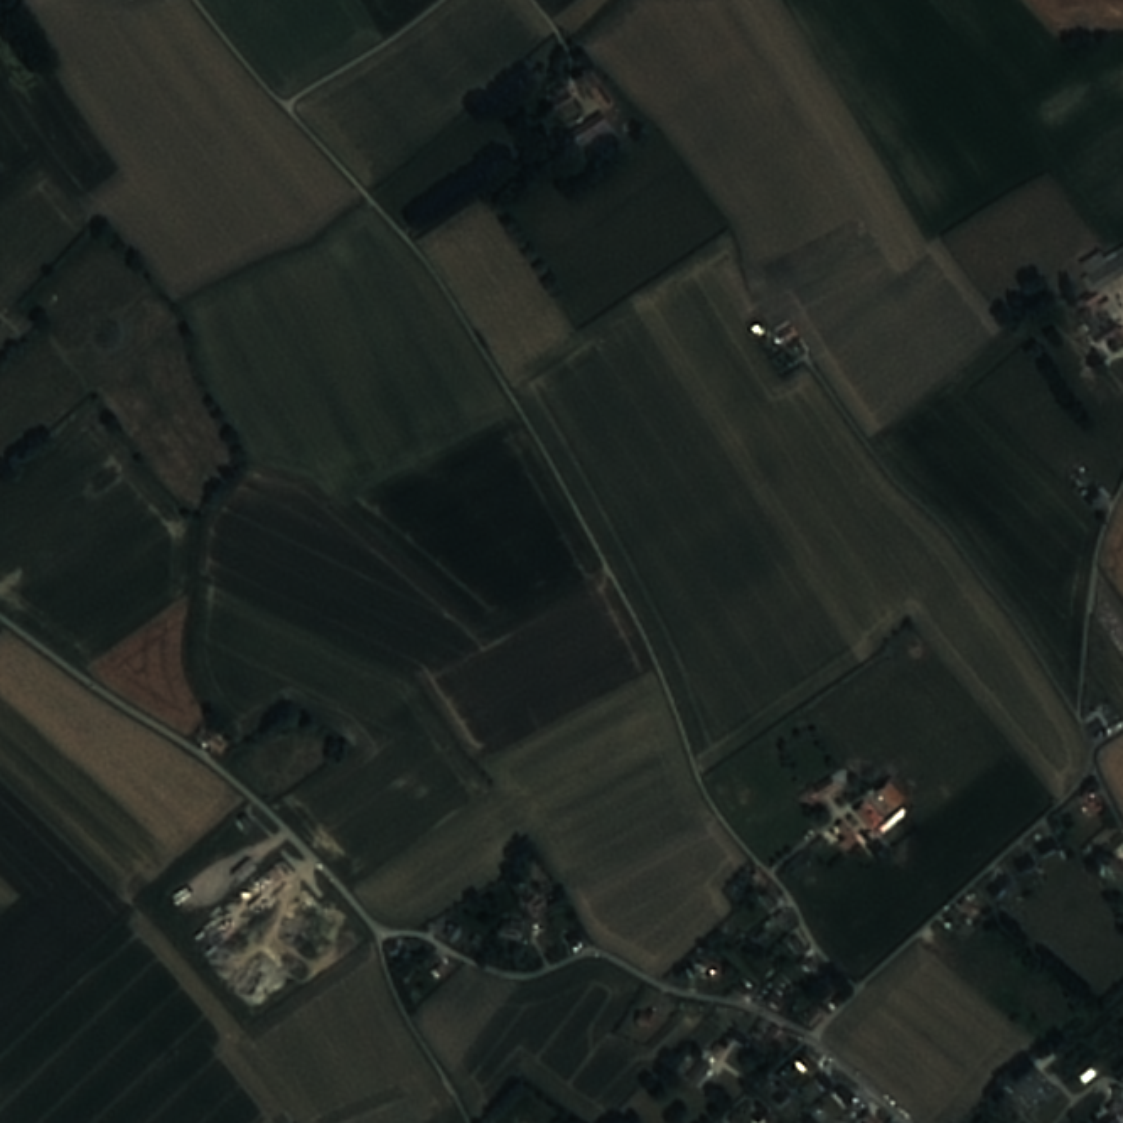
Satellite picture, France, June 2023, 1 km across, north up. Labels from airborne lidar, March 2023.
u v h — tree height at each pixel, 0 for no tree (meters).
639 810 0
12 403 0
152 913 0
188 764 0
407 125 0
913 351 0
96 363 0
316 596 0
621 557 0
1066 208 0
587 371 0
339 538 0
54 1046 0
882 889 0
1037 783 0
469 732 0
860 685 0
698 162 0
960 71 0
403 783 0
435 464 0
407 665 0
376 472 0
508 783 0
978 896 0
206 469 0
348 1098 0
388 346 0
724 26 0
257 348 0
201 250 0
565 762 0
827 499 0
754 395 0
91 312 0
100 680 0
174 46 0
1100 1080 0
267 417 0
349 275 0
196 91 0
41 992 0
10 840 0
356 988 0
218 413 13
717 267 0
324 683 0
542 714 0
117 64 0
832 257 0
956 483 0
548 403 0
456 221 0
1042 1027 0
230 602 0
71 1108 0
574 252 0
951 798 0
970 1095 0
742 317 0
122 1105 0
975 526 0
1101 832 0
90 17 0
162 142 0
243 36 0
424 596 0
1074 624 0
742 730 0
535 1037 0
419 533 0
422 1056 0
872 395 0
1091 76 0
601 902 0
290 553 0
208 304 0
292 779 0
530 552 0
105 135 0
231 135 0
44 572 0
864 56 0
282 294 0
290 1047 0
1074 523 0
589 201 0
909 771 0
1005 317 19
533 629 0
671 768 0
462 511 0
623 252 0
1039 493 0
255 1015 0
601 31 0
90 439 0
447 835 0
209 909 0
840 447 0
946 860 0
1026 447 0
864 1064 0
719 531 0
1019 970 0
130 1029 0
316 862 0
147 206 0
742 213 0
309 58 0
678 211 0
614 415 0
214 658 0
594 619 0
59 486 0
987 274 0
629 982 0
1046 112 0
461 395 0
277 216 0
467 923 0
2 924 0
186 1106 0
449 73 0
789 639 0
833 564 0
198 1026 0
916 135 0
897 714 0
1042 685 0
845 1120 0
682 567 0
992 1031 0
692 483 0
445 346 0
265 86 0
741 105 0
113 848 0
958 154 0
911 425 0
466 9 0
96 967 0
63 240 0
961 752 0
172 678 0
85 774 0
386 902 0
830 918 0
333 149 0
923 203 0
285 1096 0
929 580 0
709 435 0
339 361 0
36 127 0
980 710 0
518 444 0
